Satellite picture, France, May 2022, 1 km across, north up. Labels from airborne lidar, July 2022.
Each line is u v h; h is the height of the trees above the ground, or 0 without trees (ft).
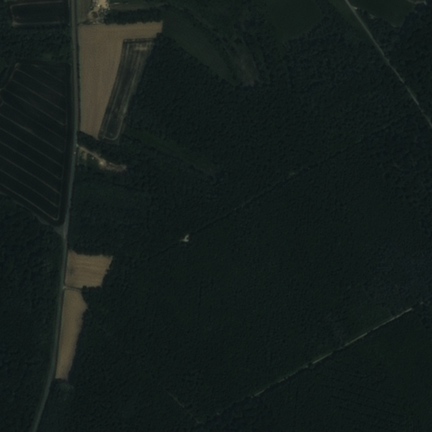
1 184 0
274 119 72
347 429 53
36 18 0
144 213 71
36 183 0
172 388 64
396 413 52
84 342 63
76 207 61
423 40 92
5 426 79
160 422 74
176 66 63
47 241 85
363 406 53
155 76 63
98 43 0
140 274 66
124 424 71
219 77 56
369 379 28
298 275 57
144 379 70
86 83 0
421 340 54
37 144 0
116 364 83
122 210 86
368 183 51
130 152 57
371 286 59
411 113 77
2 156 0
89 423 67
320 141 73
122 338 62
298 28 0
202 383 71
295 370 45
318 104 79
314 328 67
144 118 88
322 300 60
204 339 60
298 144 74
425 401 56
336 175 62
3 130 0
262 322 56
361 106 52
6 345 79
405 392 55
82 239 73
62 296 0
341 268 57
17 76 0
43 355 70
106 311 73
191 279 45
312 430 56
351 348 30
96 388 75
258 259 55
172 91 73
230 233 59
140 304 66
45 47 39
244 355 61
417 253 68
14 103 0
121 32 0
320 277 60
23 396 76
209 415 66
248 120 71
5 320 65
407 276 54
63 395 84
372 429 54
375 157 94
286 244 54
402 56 87
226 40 55
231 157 73
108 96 0
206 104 69
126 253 83
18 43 60
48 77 0
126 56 0
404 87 76
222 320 46
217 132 66
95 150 39
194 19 57
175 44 55
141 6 0
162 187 77
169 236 76
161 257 62
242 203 59
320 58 87
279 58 58
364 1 0
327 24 71
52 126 0
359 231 45
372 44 0
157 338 74
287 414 60
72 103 0
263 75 86
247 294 53
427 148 82
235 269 49
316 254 67
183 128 74
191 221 77
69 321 0
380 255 63
